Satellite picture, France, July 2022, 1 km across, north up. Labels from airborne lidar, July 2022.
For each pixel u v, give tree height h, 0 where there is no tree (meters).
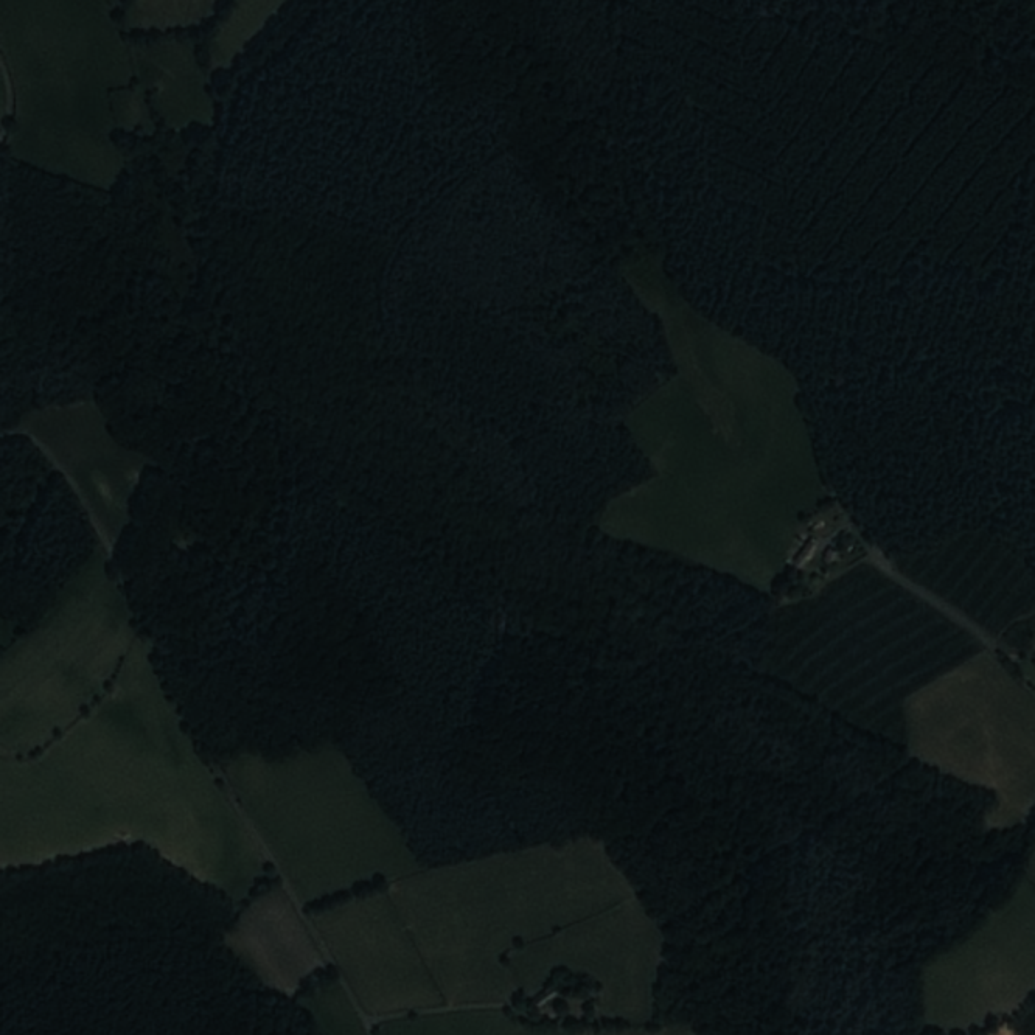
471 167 18
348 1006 0
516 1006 14
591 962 0
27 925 16
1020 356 25
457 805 27
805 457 0
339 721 23
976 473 23
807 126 14
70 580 7
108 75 0
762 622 24
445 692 19
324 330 17
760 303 26
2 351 14
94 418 0
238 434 23
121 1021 24
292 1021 27
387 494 21
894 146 15
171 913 17
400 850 0
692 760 19
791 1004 10
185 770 0
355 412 18
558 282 18
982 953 0
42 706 0
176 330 10
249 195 18
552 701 24
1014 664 11
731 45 16
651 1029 11
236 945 0
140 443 20
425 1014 0
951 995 0
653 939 0
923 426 26
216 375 24
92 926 20
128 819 0
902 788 14
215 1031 29
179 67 0
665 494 0
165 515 22
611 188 23
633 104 18
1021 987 0
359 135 24
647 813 30
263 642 30
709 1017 14
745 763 18
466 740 27
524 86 30
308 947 0
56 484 18
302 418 17
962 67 19
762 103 13
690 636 22
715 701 9
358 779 12
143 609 22
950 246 16
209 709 25
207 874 0
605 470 20
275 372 21
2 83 0
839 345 26
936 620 0
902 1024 20
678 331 0
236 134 22
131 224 17
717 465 0
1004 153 14
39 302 14
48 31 0
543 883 0
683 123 27
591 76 16
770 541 0
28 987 23
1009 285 25
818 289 26
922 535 24
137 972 19
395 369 18
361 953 0
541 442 22
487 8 32
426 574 19
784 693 21
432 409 14
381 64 27
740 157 15
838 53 14
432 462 18
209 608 28
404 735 19
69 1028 23
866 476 28
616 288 18
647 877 17
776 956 19
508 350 18
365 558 19
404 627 17
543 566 19
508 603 15
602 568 16
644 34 15
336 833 0
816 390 25
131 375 27
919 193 14
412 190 26
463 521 22
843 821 18
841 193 14
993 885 29
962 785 11
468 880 0
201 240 18
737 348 0
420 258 15
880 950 16
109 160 0
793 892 19
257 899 11
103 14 0
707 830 19
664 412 0
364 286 23
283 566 25
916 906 17
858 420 27
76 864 12
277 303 20
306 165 27
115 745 0
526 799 19
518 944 13
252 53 17
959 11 18
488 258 22
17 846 0
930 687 0
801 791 17
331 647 26
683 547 0
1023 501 30
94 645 0
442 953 0
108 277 17
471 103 24
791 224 12
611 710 29
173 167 0
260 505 9
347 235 16
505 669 25
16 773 0
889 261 16
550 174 23
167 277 22
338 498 25
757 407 0
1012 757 0
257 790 0
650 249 21
